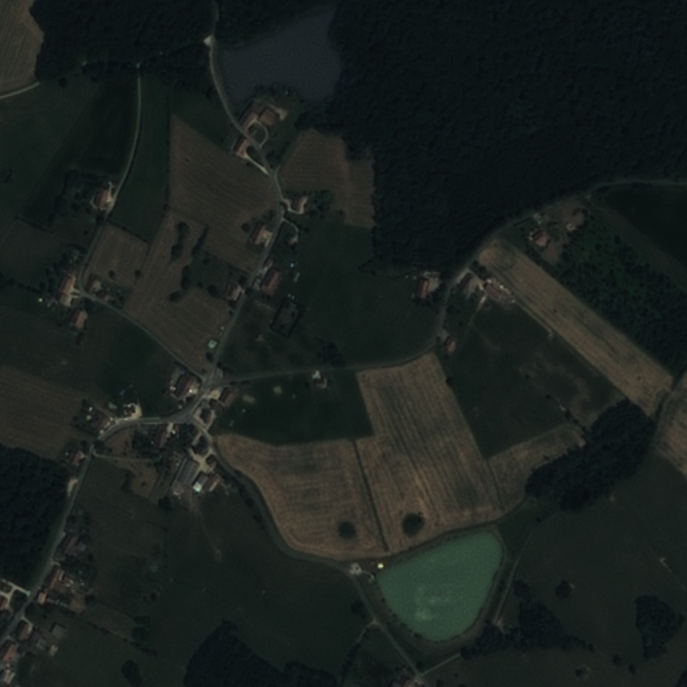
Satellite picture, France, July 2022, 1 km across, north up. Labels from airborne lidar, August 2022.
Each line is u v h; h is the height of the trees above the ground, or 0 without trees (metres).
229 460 0
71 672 0
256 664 22
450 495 0
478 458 0
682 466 0
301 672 18
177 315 0
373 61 15
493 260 0
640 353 0
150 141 0
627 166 15
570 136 9
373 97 22
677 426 0
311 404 0
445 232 22
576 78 23
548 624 22
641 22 25
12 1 0
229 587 0
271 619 0
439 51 22
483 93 17
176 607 0
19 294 0
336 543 0
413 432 0
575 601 0
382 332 0
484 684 0
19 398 0
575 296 0
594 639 0
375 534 0
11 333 0
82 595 0
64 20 21
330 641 0
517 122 20
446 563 0
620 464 8
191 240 0
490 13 24
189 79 16
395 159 20
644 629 18
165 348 0
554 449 0
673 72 22
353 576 0
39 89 0
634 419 23
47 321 0
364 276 0
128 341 0
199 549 0
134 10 21
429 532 0
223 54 0
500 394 0
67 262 8
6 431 0
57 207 11
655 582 0
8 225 0
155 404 0
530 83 23
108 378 0
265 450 0
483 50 21
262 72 0
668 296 12
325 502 0
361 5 19
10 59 0
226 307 0
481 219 10
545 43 22
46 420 0
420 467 0
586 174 9
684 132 19
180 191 0
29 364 0
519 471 0
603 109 20
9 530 22
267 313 0
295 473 0
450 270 11
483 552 0
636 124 24
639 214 0
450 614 0
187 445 6
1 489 21
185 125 0
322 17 0
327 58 0
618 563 0
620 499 0
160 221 0
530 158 11
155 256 0
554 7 21
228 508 0
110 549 0
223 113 0
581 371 0
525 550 0
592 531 0
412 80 15
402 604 0
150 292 0
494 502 0
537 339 0
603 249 9
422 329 0
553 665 0
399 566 0
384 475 0
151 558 0
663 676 0
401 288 0
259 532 0
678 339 17
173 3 23
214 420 0
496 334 0
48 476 21
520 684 0
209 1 21
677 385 0
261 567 0
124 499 0
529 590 24
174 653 0
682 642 0
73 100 0
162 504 11
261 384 0
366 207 0
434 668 0
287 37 0
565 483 11
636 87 23
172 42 19
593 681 0
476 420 0
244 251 0
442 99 21
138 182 0
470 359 0
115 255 0
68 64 20
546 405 0
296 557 0
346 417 0
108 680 0
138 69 10
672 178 12
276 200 0
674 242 0
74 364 0
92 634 0
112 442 0
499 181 10
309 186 0
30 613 11
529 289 0
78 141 0
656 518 0
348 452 0
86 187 11
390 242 18
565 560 0
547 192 9
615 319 13
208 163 0
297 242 6
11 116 0
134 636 7
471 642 0
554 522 0
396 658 0
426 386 0
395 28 23
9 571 19
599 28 18
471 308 0
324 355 6
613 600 0
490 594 0
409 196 23
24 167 0
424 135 22
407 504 0
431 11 19
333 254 0
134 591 0
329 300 0
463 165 23
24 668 0
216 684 25
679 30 22
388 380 0
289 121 0
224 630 12
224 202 0
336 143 0
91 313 10
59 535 0
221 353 0
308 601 0
